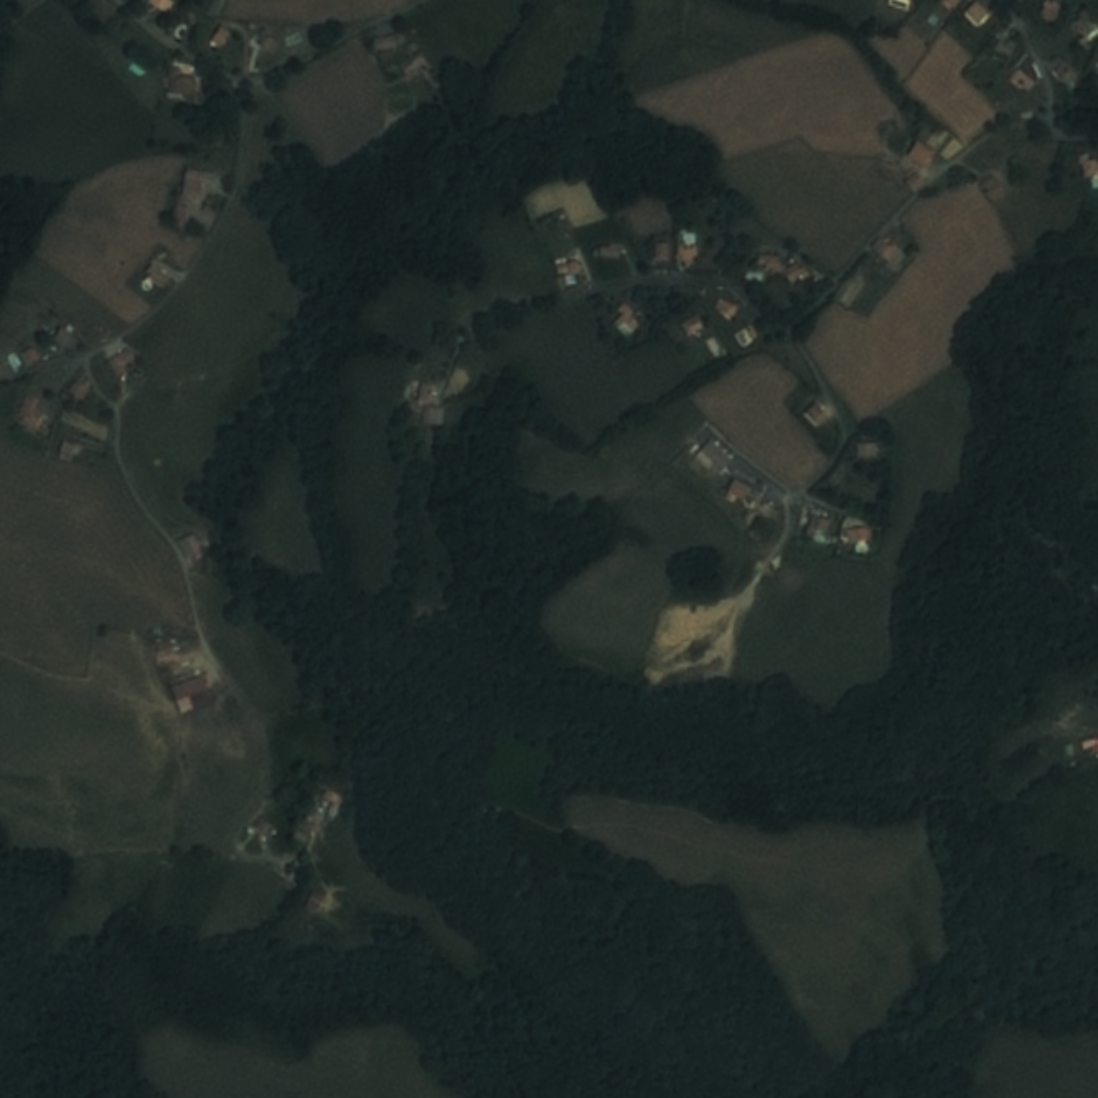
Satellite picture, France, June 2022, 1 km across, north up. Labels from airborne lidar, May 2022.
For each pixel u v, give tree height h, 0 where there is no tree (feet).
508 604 94
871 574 0
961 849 75
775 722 74
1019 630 76
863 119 0
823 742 80
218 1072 0
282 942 24
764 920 0
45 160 0
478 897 85
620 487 0
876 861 0
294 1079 0
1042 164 0
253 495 42
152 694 0
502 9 0
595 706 78
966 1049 36
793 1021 67
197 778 0
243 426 53
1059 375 38
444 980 79
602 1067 94
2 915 70
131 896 0
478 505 82
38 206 64
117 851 0
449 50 0
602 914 46
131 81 0
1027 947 76
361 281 74
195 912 0
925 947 0
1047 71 0
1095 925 65
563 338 0
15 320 0
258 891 0
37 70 0
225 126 65
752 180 0
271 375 58
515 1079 90
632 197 63
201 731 0
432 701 88
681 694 54
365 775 61
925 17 0
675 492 0
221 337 0
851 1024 0
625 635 0
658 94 0
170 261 0
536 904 78
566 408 0
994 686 92
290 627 54
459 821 50
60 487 0
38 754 0
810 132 0
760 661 0
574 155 86
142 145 0
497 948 18
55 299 0
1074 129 56
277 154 42
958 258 0
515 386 59
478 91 72
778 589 0
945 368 0
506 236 0
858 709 36
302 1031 26
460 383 0
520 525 86
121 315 0
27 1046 45
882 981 0
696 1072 73
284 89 38
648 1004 78
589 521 70
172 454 0
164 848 0
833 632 0
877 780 61
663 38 0
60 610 0
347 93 0
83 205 0
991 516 84
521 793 0
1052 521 82
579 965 64
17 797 0
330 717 46
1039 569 58
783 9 37
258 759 0
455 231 70
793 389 0
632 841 0
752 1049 81
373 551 0
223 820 0
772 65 0
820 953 0
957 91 0
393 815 76
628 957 63
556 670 32
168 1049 0
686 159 64
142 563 0
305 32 0
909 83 0
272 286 0
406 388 0
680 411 0
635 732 69
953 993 80
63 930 0
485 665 82
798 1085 87
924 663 70
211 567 0
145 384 0
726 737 80
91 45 0
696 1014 59
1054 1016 65
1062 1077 0
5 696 0
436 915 0
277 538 0
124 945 21
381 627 44
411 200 101
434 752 65
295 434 72
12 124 0
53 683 0
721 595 0
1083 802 0
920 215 0
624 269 0
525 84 0
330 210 94
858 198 0
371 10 0
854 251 0
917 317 0
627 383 0
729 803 37
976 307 38
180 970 28
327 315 54
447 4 0
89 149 0
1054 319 98
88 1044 98
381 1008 65
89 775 0
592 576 0
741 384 0
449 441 25
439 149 89
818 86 0
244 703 0
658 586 0
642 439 0
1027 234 0
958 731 60
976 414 19
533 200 0
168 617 0
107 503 0
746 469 0
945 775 40
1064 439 88
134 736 0
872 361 0
